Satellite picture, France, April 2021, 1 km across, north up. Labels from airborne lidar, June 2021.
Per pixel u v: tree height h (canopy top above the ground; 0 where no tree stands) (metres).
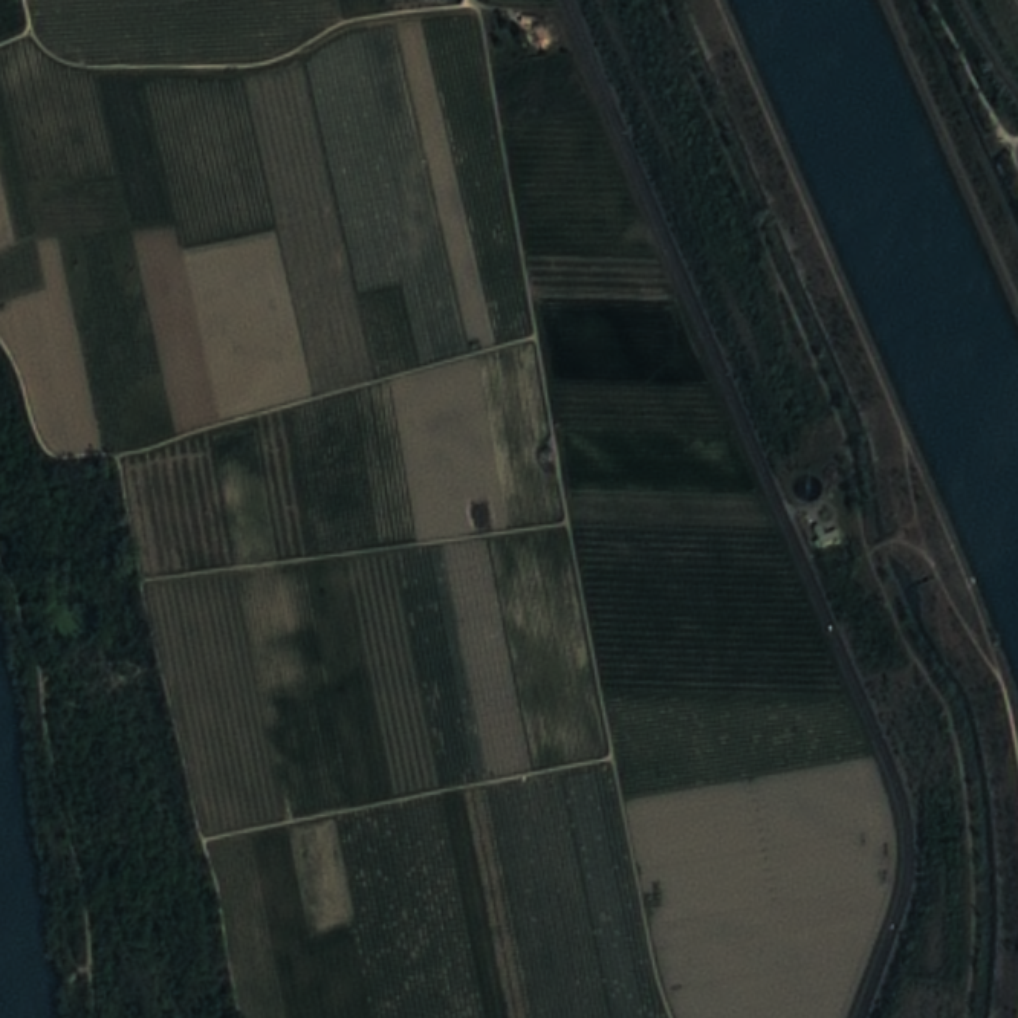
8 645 22
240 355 0
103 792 16
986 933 12
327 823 0
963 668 9
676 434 0
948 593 0
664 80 14
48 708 6
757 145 9
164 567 0
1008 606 0
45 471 11
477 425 0
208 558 0
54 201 0
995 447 0
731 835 0
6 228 0
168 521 0
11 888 0
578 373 0
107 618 19
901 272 0
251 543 0
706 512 0
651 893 0
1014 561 0
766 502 0
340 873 0
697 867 0
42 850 13
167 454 0
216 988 11
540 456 0
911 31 12
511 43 0
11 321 0
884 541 0
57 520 13
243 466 0
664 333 0
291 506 0
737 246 13
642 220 0
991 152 0
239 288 0
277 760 0
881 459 0
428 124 0
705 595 7
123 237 0
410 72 0
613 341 0
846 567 8
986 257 0
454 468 0
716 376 0
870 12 0
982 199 7
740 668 6
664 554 7
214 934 9
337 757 0
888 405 0
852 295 0
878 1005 6
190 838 29
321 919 0
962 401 0
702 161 11
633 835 0
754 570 7
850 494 17
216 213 0
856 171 0
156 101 0
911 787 6
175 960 14
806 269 0
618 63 8
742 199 15
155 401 0
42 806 15
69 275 0
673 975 0
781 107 0
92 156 0
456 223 0
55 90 0
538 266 0
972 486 0
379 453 0
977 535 0
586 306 0
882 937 0
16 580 23
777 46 0
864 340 0
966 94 9
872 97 0
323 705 0
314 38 0
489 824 0
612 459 0
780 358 12
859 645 10
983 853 8
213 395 0
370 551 0
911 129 0
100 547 25
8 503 14
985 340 0
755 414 7
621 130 0
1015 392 0
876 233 0
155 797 11
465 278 0
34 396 0
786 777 0
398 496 0
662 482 0
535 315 0
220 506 0
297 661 0
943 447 0
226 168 0
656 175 11
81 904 22
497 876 0
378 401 0
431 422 0
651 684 5
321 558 0
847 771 0
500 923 0
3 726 0
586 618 0
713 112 19
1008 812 7
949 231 0
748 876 0
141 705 13
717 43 0
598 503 0
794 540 0
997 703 7
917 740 9
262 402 0
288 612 0
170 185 0
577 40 0
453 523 0
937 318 0
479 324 0
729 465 0
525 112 0
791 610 6
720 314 6
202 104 0
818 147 0
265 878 0
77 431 0
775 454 5
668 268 0
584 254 0
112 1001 17
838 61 0
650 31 9
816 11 0
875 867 0
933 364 0
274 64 0
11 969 0
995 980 0
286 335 0
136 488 0
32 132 0
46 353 0
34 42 0
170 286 0
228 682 0
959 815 9
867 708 0
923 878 6
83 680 12
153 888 12
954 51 21
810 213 0
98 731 13
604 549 7
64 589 12
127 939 11
